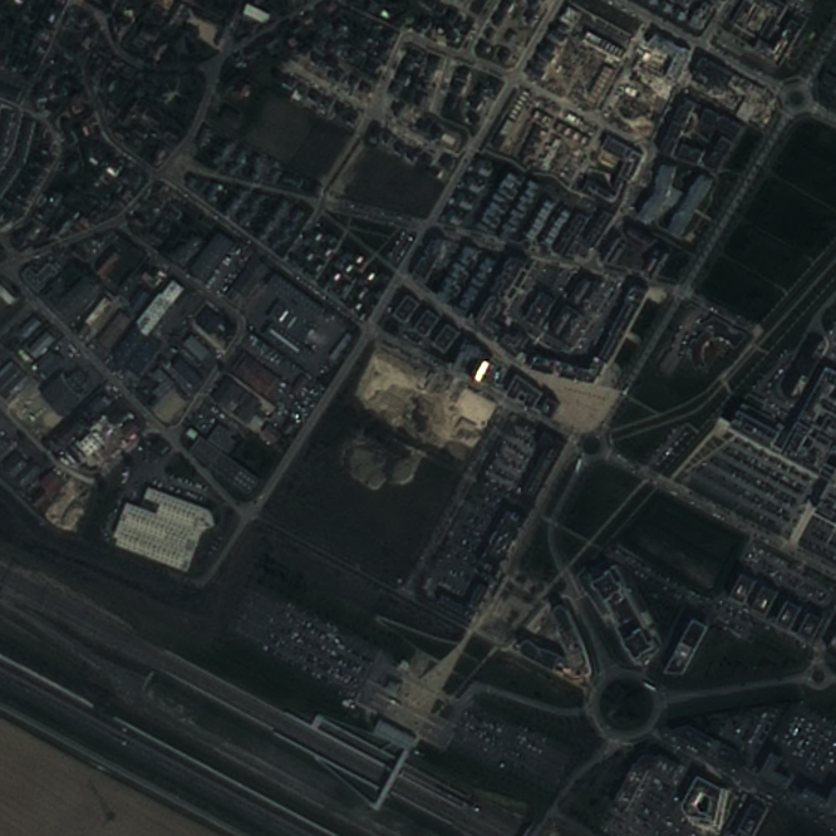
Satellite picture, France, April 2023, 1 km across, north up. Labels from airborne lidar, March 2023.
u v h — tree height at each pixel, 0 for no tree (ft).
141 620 0
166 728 0
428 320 0
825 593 0
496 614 0
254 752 0
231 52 0
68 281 0
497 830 0
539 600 0
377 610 0
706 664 0
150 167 0
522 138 0
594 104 0
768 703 0
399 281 0
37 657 0
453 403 0
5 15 49
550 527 0
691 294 0
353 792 0
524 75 0
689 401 0
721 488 0
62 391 0
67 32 0
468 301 0
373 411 0
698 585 0
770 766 0
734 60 0
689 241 0
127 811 0
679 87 0
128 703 0
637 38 0
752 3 0
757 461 0
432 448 0
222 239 0
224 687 0
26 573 0
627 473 0
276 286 0
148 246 0
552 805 0
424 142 0
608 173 0
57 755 0
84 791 0
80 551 43
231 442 0
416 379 0
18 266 0
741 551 0
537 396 0
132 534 0
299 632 0
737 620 0
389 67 0
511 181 0
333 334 0
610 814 0
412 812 0
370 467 0
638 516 0
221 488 0
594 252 0
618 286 0
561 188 0
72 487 0
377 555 0
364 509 0
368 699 0
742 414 0
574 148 0
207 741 0
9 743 0
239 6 30
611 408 0
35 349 0
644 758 0
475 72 0
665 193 0
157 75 68
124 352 0
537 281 0
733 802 0
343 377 0
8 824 0
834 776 0
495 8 0
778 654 0
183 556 0
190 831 0
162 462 0
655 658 0
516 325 0
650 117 0
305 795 0
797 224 0
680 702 0
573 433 0
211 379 0
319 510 0
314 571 0
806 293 0
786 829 0
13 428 0
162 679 0
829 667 0
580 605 0
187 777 0
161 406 0
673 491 0
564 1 0
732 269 0
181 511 0
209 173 0
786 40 0
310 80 0
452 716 0
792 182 0
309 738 0
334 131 0
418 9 0
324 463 0
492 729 0
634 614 0
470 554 0
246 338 0
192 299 0
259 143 0
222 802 0
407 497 0
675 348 0
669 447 0
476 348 0
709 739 0
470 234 0
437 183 0
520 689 0
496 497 0
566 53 0
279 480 0
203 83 49
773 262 0
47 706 0
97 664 0
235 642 0
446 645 0
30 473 0
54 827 0
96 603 0
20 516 34
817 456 0
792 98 0
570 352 0
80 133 21
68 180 0
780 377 0
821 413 0
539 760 0
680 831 0
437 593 0
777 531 0
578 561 0
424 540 0
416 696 0
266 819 0
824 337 0
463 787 0
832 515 0
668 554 0
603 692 0
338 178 0
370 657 0
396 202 0
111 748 0
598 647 0
